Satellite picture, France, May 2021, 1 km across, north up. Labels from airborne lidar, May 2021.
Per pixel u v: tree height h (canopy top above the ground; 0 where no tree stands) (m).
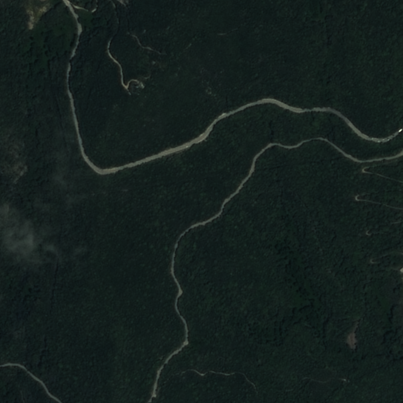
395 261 13
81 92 9
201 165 9
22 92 16
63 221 9
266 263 7
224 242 6
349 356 22
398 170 9
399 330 9
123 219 6
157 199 6
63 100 15
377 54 15
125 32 7
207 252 10
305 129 11
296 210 12
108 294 6
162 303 6
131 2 7
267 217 10
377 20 7
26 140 13
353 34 11
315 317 21
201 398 8
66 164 8
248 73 6
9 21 13
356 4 17
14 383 8
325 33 9
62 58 16
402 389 7
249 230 11
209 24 6
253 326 18
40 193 15
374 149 7
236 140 16
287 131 9
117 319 11
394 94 14
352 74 6
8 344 10
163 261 8
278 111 13
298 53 8
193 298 8
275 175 11
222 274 7
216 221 11
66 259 10
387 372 6
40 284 13
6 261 13
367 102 6
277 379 9
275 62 10
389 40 10
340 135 9
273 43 8
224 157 6
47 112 17
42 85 17
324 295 9
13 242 8
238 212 8
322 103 12
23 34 15
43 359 17
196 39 9
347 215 9
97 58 6
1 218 7
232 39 6
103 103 6
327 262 8
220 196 6
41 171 21
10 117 10
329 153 10
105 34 8
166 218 7
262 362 12
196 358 7
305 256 11
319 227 7
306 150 12
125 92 6
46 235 12
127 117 6
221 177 8
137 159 6
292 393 6
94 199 7
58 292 11
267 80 10
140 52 7
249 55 9
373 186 11
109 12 12
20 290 10
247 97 9
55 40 20
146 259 5
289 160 8
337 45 9
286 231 13
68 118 11
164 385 12
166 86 7
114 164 9
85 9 8
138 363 11
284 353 10
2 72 13
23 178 20
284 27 9
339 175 7
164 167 6
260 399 6
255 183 8
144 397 6
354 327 10
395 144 6
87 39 6
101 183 7
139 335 7
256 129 8
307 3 20
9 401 21
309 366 6
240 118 14
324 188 11
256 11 7
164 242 10
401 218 9
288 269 21
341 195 8
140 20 10
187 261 14
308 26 11
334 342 20
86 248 6
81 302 8
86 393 7
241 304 10
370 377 8
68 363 8
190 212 9
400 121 13
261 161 10
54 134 18
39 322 10
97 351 7
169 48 6
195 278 13
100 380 10
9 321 13
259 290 7
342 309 9
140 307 7
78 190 9
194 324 10
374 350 23
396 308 14
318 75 13
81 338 10
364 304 11
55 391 7
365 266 15
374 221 11
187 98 6
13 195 7
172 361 11
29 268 18
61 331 11
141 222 12
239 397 7
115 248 7
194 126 6
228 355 9
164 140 8
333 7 13
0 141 9
